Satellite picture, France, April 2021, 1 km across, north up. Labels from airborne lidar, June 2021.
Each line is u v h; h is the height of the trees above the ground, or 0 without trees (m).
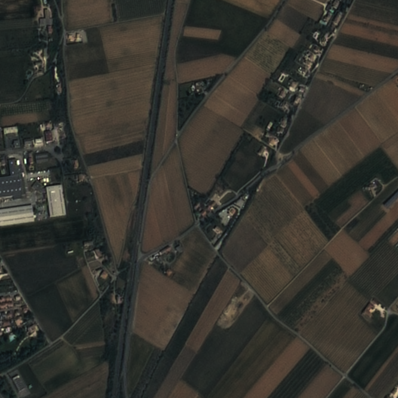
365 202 0
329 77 0
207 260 0
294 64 0
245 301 0
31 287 0
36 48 7
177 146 0
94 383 0
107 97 0
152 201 0
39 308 0
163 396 0
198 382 0
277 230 0
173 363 0
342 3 6
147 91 0
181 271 0
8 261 0
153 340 0
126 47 0
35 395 0
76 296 0
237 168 0
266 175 6
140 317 0
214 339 0
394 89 0
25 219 0
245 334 0
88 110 0
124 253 0
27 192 0
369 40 0
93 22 0
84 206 0
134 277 0
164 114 0
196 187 0
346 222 0
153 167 0
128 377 0
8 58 0
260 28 0
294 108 8
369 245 0
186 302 0
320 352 0
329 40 6
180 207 0
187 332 0
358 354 0
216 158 0
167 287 0
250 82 0
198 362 0
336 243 0
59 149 12
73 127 0
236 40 0
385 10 0
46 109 0
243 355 0
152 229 0
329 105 0
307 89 0
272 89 0
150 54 0
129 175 0
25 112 0
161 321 0
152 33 0
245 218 0
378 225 0
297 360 0
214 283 0
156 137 0
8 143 0
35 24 11
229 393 0
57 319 0
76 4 0
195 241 0
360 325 0
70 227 0
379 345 0
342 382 0
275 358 0
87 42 0
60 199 0
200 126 0
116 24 0
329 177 0
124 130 0
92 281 0
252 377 0
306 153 0
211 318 0
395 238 0
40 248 0
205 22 0
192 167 0
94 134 0
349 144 0
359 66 0
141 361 0
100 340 0
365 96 0
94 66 0
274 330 0
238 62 0
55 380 0
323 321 0
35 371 0
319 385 0
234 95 0
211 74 0
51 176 0
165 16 5
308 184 0
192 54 0
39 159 0
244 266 0
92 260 0
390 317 0
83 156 0
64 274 0
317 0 0
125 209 0
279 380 0
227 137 0
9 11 0
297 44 0
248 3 0
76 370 0
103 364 0
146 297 0
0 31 0
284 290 0
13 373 0
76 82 0
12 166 0
